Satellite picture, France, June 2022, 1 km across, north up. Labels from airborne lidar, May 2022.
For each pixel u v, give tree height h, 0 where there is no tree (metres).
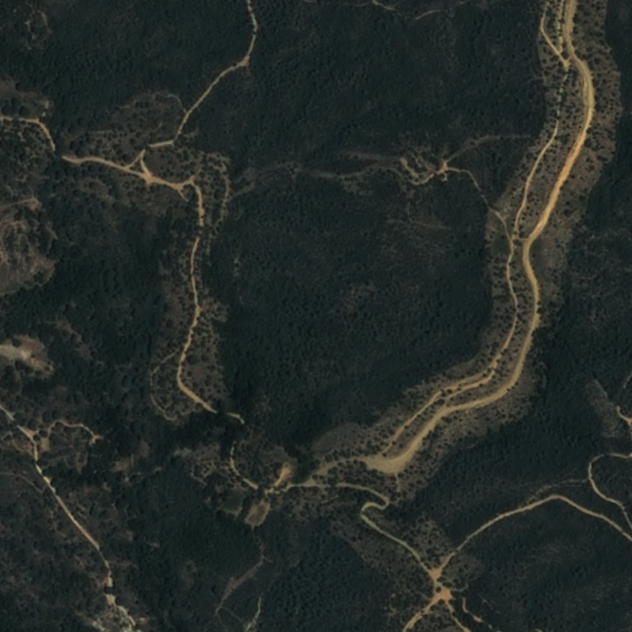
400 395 7
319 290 6
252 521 0
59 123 9
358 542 14
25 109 14
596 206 6
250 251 9
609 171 6
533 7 7
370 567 6
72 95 13
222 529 8
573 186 0
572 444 15
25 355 0
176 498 9
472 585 12
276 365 8
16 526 8
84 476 10
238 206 8
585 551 6
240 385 18
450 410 0
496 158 14
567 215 14
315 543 13
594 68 9
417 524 8
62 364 7
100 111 6
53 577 10
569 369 15
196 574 7
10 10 8
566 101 6
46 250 9
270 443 7
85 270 11
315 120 6
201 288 7
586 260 7
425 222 0
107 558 10
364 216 7
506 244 0
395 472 0
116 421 17
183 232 7
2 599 9
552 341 11
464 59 8
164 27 5
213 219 8
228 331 12
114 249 7
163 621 9
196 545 11
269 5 6
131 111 0
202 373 0
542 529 7
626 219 8
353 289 12
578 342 8
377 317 6
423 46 8
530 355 9
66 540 6
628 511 12
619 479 11
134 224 7
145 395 14
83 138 8
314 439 10
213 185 7
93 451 9
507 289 8
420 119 6
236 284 12
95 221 12
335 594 12
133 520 9
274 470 9
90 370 8
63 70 11
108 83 6
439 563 7
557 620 10
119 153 8
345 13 7
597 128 7
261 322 8
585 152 0
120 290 13
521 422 8
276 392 7
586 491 9
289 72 15
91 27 8
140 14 8
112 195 10
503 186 7
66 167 9
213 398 8
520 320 7
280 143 7
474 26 6
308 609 20
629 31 7
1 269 0
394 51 6
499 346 8
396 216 6
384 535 8
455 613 10
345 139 13
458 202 11
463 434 0
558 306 16
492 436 12
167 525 8
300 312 16
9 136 8
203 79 6
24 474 0
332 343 7
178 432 9
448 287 8
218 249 10
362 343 9
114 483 19
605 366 14
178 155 7
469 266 7
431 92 8
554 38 7
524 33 9
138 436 16
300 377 8
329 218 7
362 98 5
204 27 7
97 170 12
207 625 15
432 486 9
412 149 7
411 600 8
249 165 7
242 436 8
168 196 0
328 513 10
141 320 6
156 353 11
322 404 8
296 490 6
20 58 8
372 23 6
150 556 19
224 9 9
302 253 6
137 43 6
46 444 0
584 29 0
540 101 8
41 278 8
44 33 8
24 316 17
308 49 13
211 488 10
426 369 6
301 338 8
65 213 7
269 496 8
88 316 16
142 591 13
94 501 9
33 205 0
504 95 7
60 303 14
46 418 11
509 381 0
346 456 10
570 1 0
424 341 14
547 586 9
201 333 6
